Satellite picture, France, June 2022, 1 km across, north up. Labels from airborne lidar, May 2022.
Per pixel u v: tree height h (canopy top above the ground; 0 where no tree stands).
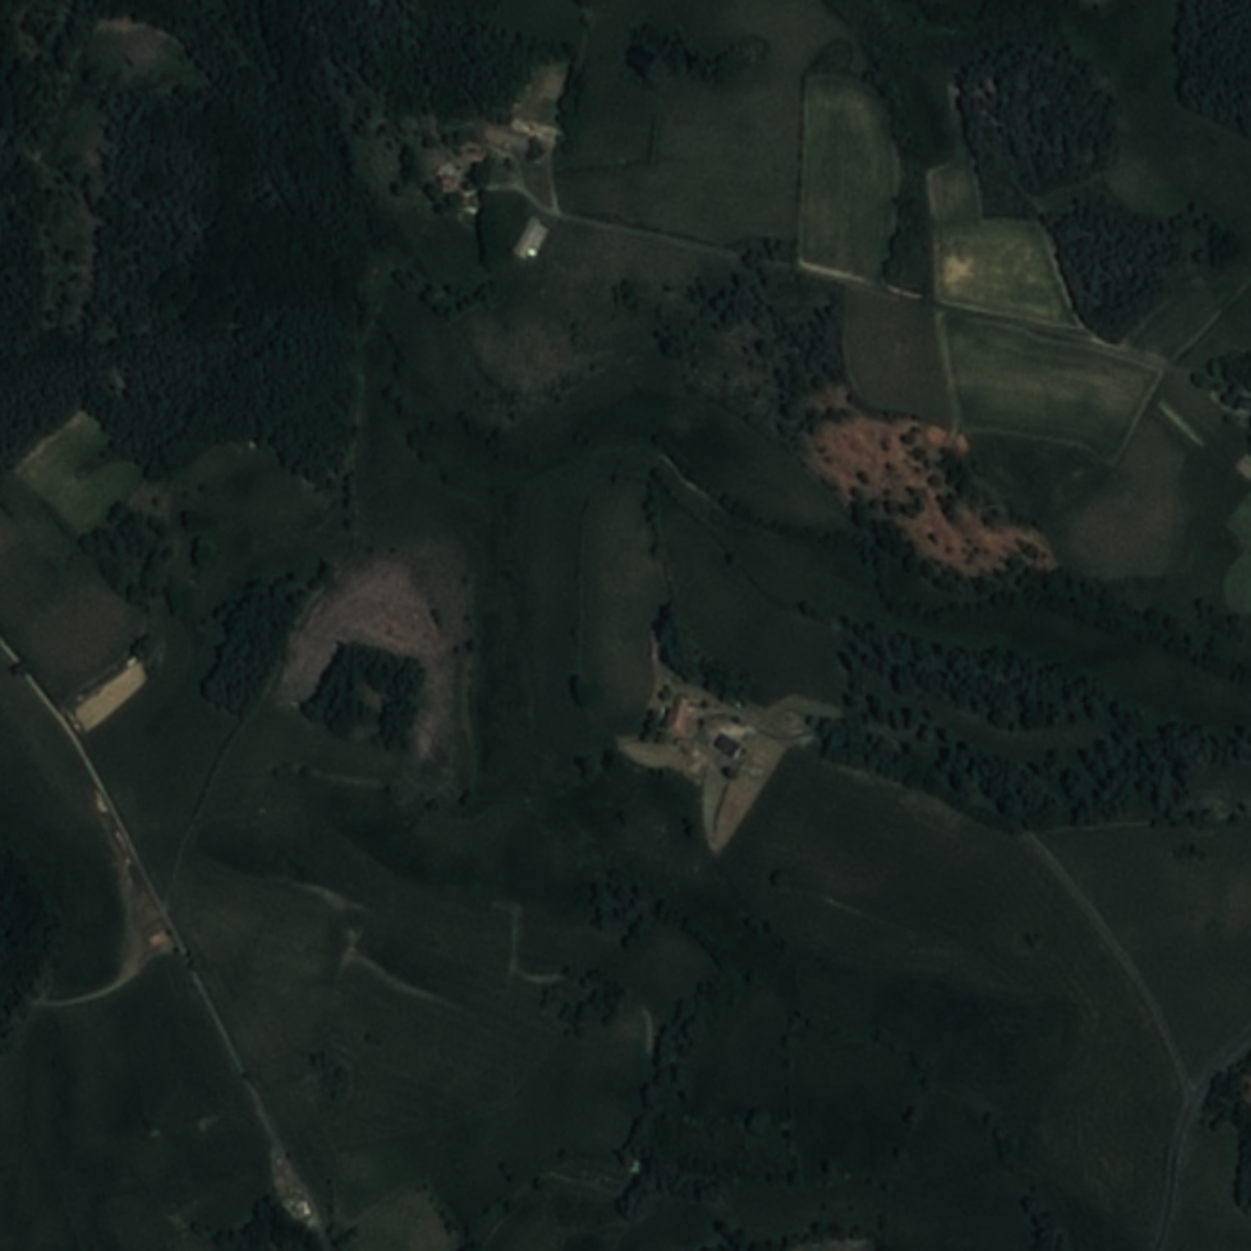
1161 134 0
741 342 0
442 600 0
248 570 0
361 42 12
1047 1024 0
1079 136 13
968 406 0
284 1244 13
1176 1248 0
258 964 0
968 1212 0
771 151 0
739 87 0
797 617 0
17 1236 0
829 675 0
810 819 0
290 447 18
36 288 17
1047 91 14
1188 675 0
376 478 0
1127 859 0
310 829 0
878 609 0
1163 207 0
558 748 0
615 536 0
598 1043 0
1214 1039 0
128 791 0
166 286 17
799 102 0
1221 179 0
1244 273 0
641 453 0
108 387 25
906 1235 0
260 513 0
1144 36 0
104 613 0
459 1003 0
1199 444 0
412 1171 0
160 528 11
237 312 25
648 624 0
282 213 16
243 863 0
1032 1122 0
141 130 22
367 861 0
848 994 0
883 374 0
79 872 0
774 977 0
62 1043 0
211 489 10
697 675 17
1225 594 0
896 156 0
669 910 14
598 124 0
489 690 0
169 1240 0
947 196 0
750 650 0
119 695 0
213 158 20
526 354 0
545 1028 0
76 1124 0
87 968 0
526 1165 0
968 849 0
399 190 17
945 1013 0
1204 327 0
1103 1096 0
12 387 19
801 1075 0
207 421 34
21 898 20
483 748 0
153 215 17
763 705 0
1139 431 0
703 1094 0
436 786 0
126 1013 0
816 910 0
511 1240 0
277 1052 0
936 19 10
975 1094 0
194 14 24
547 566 0
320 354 31
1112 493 0
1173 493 0
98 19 17
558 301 0
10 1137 0
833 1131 0
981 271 0
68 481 0
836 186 0
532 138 7
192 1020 0
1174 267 18
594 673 0
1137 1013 0
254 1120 0
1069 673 19
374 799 0
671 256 0
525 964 0
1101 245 12
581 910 0
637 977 0
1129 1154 0
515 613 0
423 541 0
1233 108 21
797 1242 9
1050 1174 0
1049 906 0
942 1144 0
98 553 9
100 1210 0
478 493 0
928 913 0
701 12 0
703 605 0
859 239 0
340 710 25
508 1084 0
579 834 0
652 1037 0
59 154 0
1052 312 0
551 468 0
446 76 18
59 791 0
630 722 0
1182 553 0
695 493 0
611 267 0
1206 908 0
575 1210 0
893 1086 0
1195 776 30
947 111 0
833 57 0
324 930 0
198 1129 0
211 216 23
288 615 24
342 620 0
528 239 0
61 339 17
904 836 0
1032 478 0
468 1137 0
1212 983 0
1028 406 0
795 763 0
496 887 0
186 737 0
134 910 0
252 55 8
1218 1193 0
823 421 12
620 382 0
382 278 0
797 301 0
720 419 0
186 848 0
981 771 28
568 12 0
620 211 0
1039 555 16
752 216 0
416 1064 0
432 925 0
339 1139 0
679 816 0
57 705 0
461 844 0
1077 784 25
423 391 0
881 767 16
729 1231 27
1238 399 10
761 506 0
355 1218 0
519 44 20
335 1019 0
